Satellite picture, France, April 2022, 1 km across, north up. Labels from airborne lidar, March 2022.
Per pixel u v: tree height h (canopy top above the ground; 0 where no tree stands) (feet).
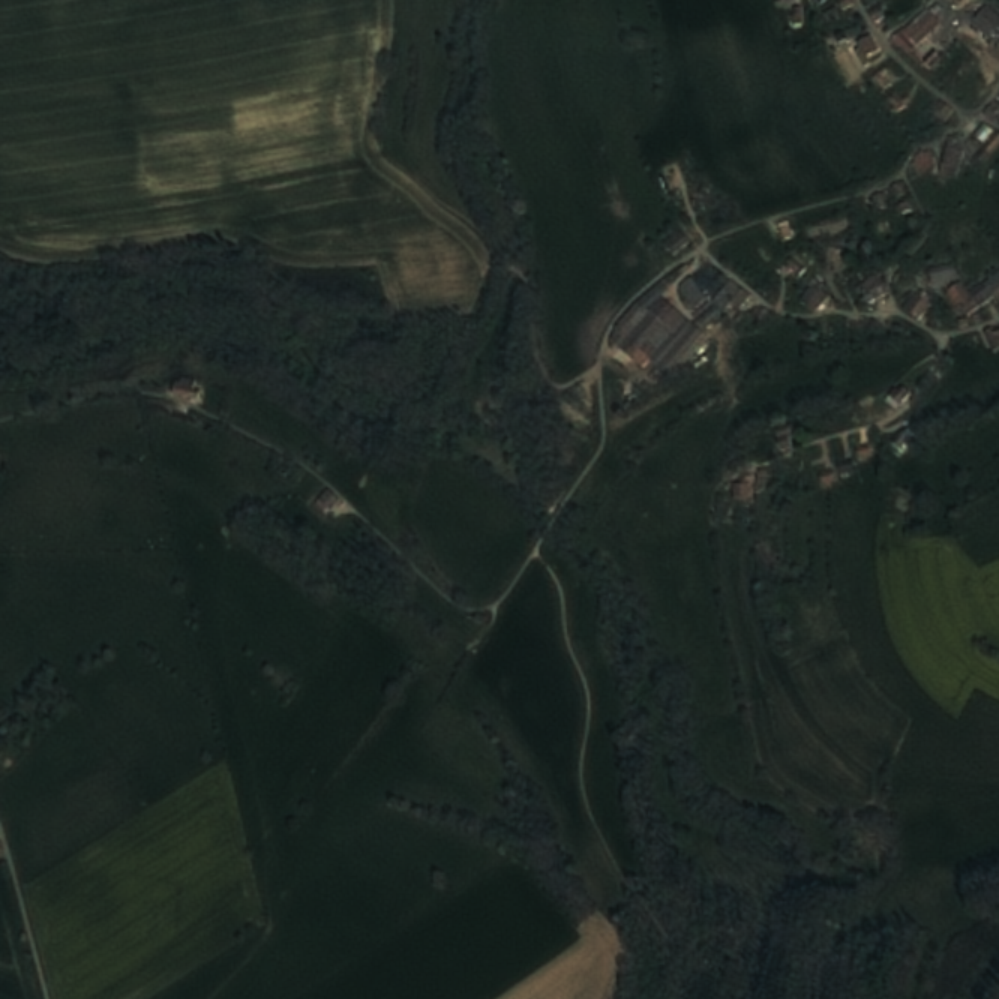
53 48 0
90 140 0
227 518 0
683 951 62
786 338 0
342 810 0
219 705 0
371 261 0
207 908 0
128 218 0
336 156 0
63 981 0
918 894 0
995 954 0
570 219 0
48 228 0
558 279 0
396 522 0
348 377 70
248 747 0
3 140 0
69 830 0
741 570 0
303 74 0
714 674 0
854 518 0
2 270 74
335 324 85
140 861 0
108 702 0
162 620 0
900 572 0
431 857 0
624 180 0
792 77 0
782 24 0
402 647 0
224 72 0
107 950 0
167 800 0
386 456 79
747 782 0
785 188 0
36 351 85
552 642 0
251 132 0
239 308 100
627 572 0
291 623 0
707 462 0
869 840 79
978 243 0
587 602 0
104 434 0
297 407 85
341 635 0
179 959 0
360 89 0
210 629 0
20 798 0
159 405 0
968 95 0
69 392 0
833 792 0
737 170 0
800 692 0
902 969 92
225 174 0
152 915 0
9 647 0
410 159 0
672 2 0
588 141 0
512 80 0
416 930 0
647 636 64
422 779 0
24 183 0
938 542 0
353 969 0
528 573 0
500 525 0
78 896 0
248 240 0
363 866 0
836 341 20
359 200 0
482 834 69
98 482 0
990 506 0
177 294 86
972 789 0
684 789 72
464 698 0
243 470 0
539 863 84
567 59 0
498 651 0
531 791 44
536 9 0
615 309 0
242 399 0
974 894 72
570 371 0
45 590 0
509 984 0
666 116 0
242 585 0
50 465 0
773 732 0
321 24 0
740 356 0
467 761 0
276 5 0
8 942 0
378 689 0
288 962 0
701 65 0
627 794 49
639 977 61
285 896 0
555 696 0
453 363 75
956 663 0
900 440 0
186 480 0
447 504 0
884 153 0
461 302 0
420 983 0
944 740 0
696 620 0
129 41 0
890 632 0
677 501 0
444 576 0
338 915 0
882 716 0
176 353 0
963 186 0
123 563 0
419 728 0
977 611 0
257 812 0
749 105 0
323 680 0
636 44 45
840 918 76
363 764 0
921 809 0
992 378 0
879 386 0
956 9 0
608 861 0
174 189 0
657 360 0
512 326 54
